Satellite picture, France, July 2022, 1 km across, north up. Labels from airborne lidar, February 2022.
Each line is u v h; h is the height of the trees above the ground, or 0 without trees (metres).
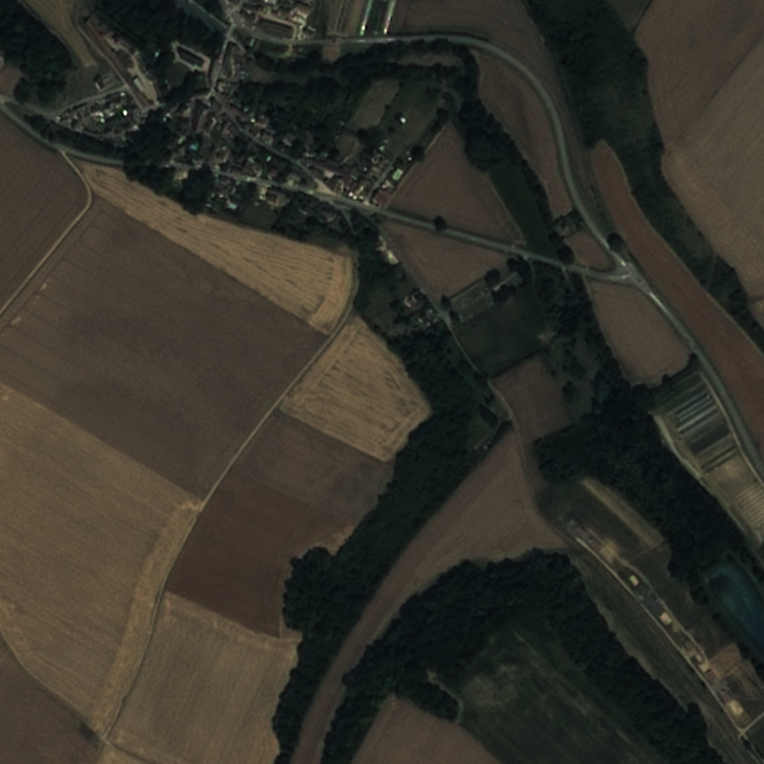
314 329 0
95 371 0
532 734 0
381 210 0
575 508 0
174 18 28
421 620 19
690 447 0
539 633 0
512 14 0
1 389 0
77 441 0
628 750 0
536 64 0
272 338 0
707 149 0
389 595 0
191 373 0
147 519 0
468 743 0
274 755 0
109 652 0
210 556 0
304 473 0
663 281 0
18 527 0
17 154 0
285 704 15
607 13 8
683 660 0
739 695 0
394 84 0
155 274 0
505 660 0
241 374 0
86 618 0
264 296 0
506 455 0
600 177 0
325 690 0
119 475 0
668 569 0
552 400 0
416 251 0
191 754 0
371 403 0
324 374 0
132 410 0
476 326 0
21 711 0
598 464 9
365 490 0
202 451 0
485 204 0
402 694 16
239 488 0
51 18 0
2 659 0
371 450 0
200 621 0
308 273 0
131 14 27
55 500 0
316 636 10
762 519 0
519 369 0
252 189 11
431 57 0
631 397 23
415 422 0
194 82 15
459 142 0
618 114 0
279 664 0
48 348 0
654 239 0
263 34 0
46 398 0
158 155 24
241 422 0
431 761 0
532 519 0
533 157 0
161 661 0
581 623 16
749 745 9
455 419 13
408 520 5
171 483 0
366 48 0
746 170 0
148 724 0
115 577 0
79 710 0
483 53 0
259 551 0
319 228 13
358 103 9
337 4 0
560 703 0
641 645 0
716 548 31
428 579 0
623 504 0
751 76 0
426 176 0
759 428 0
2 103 0
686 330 0
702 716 20
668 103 0
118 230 0
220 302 0
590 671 14
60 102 0
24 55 23
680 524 23
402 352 11
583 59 16
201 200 17
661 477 23
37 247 0
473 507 0
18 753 0
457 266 0
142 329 0
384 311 0
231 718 0
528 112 0
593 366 0
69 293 0
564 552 0
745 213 0
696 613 0
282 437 0
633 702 22
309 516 0
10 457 0
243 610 0
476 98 14
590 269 0
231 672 0
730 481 0
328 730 0
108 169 0
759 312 0
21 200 0
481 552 0
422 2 0
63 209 0
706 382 0
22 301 0
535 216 0
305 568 19
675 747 12
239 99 10
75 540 0
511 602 12
